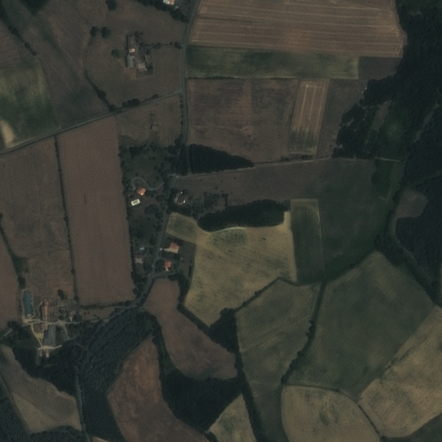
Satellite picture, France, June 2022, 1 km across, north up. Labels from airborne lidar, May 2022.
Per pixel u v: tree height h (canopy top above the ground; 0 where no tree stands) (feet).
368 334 0
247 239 0
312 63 0
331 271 0
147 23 0
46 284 0
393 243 27
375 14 0
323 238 0
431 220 40
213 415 34
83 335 18
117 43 0
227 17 0
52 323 0
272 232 0
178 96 0
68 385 63
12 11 0
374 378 0
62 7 0
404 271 0
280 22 0
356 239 0
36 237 0
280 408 0
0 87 0
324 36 0
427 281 43
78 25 0
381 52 0
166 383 37
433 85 44
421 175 63
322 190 0
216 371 0
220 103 0
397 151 19
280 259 0
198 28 0
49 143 0
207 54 0
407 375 0
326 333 0
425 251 37
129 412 0
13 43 0
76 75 0
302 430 0
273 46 0
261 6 0
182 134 25
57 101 0
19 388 0
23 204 0
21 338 45
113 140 0
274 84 0
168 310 0
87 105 0
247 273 0
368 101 40
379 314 0
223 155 48
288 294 0
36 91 0
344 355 0
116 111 30
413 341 0
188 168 60
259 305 0
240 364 40
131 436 0
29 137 0
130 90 0
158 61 0
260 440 55
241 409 0
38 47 0
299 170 0
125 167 22
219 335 39
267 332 0
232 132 0
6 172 0
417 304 0
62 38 0
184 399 41
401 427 0
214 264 0
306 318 0
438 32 41
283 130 0
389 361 0
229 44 0
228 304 0
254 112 0
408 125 19
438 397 0
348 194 0
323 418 0
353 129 42
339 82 0
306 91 0
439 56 42
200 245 0
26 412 0
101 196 0
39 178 0
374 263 0
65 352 47
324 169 0
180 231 0
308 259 0
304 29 0
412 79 56
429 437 0
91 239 0
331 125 0
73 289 0
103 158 0
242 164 40
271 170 0
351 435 0
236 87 0
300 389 0
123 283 0
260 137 0
